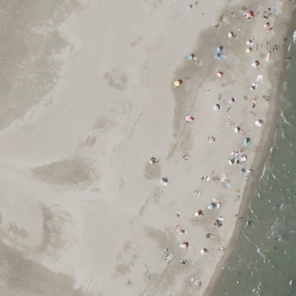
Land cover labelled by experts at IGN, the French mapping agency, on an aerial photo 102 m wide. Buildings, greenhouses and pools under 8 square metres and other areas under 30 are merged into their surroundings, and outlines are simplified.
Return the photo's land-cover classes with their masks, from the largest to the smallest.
<instances>
[{"label":"bare soil","instance_id":"1","mask_svg":"<svg viewBox=\"0 0 296 296\"><path fill-rule=\"evenodd\" d=\"M296 15V0H0V296H209L230 253L228 244L234 234L236 215L243 200L251 164L258 166L260 163L268 133L273 125L276 87L282 68L283 38L287 34V23Z\"/></svg>","mask_w":296,"mask_h":296},{"label":"water","instance_id":"2","mask_svg":"<svg viewBox=\"0 0 296 296\"><path fill-rule=\"evenodd\" d=\"M234 234L228 244L230 253L209 296H296V15L287 23V34L283 38L282 68L276 87L273 125L268 133L260 163L258 166L251 164L243 200L236 215Z\"/></svg>","mask_w":296,"mask_h":296}]
</instances>
